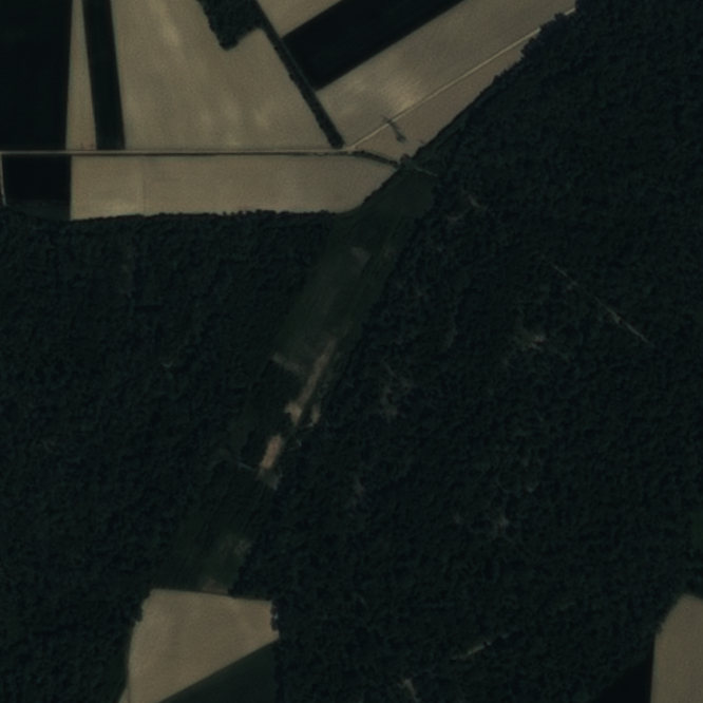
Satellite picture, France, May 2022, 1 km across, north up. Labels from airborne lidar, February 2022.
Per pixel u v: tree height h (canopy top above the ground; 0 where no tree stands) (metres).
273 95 0
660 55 25
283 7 0
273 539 27
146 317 31
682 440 13
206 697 0
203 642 0
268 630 0
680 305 24
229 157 0
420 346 15
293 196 0
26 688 29
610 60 25
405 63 0
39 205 0
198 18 0
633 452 28
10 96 0
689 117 28
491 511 23
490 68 0
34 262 12
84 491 27
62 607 25
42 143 0
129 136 0
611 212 26
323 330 0
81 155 0
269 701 0
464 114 7
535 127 24
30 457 23
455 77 0
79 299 23
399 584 22
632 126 12
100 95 0
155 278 19
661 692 0
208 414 24
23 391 23
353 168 0
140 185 0
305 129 0
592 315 8
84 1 0
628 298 29
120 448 25
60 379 19
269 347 17
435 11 0
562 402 27
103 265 28
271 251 23
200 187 0
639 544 30
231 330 20
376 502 32
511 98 22
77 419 27
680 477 20
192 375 13
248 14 6
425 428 22
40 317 14
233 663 0
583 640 7
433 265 14
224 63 0
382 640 24
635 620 30
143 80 0
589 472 15
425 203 0
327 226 6
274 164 0
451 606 25
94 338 21
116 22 0
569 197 29
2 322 10
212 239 18
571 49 20
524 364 10
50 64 0
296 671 23
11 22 0
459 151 23
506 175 13
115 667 0
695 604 0
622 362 16
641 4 22
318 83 0
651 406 24
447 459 18
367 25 0
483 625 24
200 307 30
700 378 21
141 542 28
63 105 0
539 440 25
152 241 29
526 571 27
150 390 26
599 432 29
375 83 0
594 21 22
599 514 8
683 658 0
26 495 24
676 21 11
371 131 0
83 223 9
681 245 8
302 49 0
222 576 0
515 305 24
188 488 27
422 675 25
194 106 0
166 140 0
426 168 6
